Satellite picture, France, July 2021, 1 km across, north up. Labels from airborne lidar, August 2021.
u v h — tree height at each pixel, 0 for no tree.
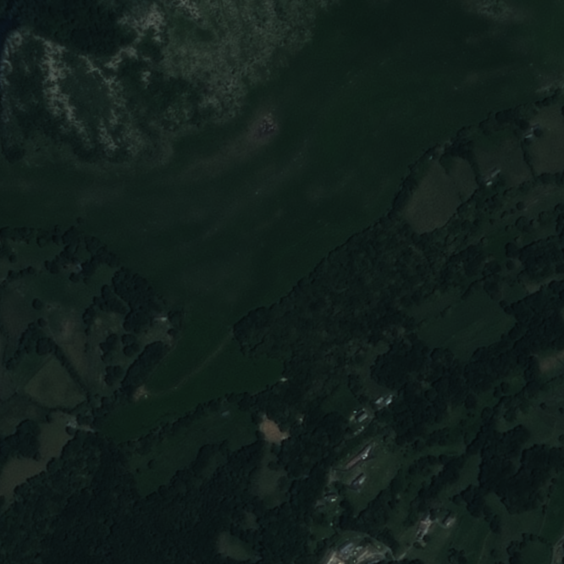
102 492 22
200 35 0
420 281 21
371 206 0
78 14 13
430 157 13
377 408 11
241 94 0
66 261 10
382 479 0
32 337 17
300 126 0
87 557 28
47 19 8
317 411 14
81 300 0
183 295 0
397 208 20
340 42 0
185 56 0
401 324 25
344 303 15
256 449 23
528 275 18
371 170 0
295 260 0
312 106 0
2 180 0
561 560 0
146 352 12
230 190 0
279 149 0
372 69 0
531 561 0
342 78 0
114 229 0
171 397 0
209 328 0
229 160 0
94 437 21
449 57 0
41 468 0
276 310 19
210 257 0
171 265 0
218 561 21
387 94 0
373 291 21
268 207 0
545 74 0
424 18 0
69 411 10
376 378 14
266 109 0
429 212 0
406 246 16
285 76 0
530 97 0
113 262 19
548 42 0
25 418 0
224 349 0
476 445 20
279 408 19
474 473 0
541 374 18
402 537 0
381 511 22
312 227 0
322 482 17
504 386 15
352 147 0
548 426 0
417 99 0
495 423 20
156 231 0
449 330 0
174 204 0
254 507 24
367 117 0
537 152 0
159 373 0
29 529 21
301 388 17
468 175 0
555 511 0
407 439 23
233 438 0
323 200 0
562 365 0
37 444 26
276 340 18
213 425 0
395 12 0
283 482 11
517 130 11
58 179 0
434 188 0
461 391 27
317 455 14
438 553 0
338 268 20
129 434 0
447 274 24
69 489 19
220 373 0
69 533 24
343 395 0
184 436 0
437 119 0
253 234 0
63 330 0
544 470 14
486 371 21
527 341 17
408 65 0
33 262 0
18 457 18
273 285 0
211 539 23
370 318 22
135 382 17
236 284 0
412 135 0
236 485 25
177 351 0
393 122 0
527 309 24
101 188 0
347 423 17
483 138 0
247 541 27
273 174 0
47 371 0
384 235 18
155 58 7
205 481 6
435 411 22
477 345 0
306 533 22
